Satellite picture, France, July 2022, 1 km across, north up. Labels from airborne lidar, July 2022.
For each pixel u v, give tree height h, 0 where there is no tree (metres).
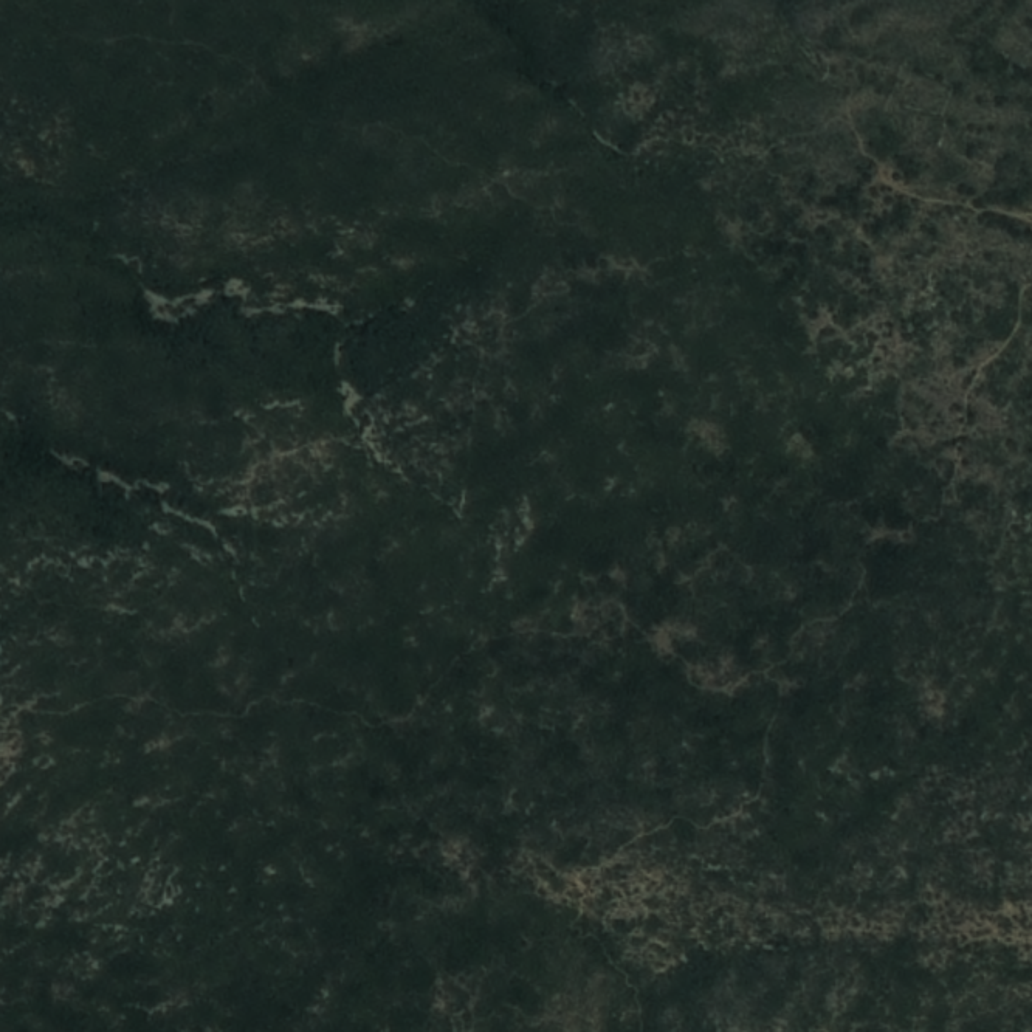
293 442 0
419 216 0
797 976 0
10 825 0
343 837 0
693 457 0
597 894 0
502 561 0
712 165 0
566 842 0
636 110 0
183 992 0
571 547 0
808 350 0
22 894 0
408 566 0
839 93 0
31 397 0
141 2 0
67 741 0
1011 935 0
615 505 0
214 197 0
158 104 0
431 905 0
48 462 6
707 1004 0
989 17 0
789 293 0
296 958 0
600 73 0
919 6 0
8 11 0
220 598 0
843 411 0
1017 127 0
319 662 0
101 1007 0
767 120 0
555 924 0
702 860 0
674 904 0
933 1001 0
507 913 0
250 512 0
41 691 0
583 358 0
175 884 0
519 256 0
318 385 7
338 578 0
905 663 0
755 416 0
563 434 0
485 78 0
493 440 0
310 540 0
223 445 0
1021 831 0
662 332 0
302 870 0
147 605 0
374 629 0
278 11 0
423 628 0
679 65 0
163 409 0
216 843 0
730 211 0
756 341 0
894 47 0
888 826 0
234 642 0
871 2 0
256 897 0
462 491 0
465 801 0
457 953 0
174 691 0
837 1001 0
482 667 0
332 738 0
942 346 0
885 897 0
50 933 0
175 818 0
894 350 0
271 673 0
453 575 0
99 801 0
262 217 0
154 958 0
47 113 0
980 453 0
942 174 0
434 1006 0
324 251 0
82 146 0
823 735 0
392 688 0
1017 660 0
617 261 0
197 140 0
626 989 0
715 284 0
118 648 0
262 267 0
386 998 0
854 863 0
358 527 0
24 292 0
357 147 0
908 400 0
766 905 0
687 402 0
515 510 0
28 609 0
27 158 0
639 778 0
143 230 0
